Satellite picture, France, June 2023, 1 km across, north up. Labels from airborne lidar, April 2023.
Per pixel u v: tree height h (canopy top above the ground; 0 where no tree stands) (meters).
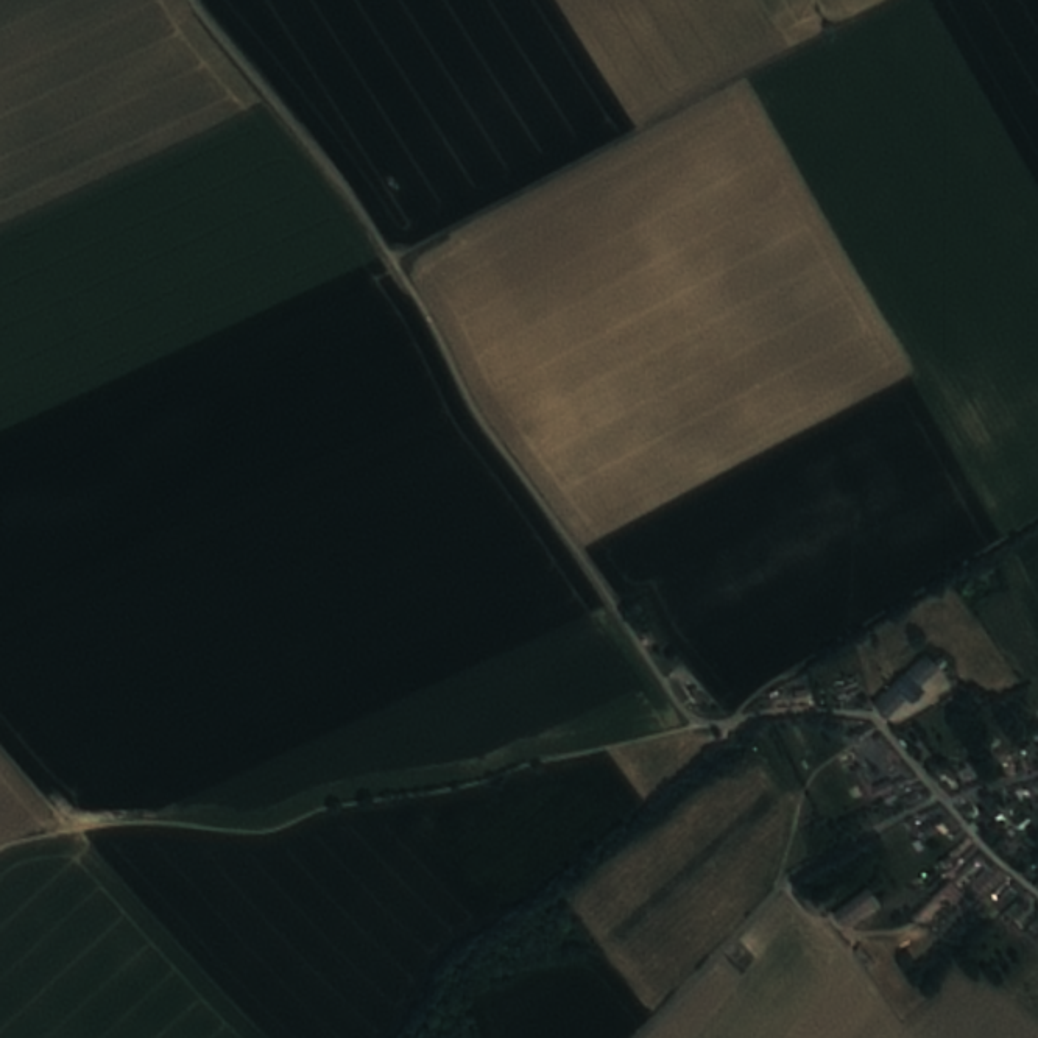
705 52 0
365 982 0
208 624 0
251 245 0
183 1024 0
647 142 0
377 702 0
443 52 0
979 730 17
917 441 0
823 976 0
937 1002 0
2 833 0
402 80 0
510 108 0
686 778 9
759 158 0
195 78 0
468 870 0
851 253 0
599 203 0
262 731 0
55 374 0
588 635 0
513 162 0
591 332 0
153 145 0
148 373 0
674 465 0
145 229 0
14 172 0
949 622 0
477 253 0
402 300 0
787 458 0
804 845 0
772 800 0
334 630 0
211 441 0
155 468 0
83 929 0
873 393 0
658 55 0
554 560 0
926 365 0
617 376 0
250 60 0
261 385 0
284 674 0
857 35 0
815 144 0
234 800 0
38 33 0
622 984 0
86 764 0
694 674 0
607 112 0
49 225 0
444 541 0
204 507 0
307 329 0
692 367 0
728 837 0
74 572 0
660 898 0
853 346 0
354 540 0
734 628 0
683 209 0
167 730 0
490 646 0
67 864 0
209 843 0
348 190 0
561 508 0
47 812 0
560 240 0
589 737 0
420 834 0
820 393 0
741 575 0
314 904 0
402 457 0
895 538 0
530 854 0
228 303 0
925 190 0
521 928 16
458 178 0
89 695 0
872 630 7
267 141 0
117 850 0
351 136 0
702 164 0
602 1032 0
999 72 0
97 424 0
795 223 0
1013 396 0
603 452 0
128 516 0
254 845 0
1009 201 0
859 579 0
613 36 0
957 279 0
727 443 0
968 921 13
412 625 0
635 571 0
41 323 0
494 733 0
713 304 0
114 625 0
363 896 0
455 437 0
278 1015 0
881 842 14
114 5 0
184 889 0
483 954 14
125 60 0
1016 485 0
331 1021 0
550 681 0
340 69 0
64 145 0
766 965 0
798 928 0
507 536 0
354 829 0
